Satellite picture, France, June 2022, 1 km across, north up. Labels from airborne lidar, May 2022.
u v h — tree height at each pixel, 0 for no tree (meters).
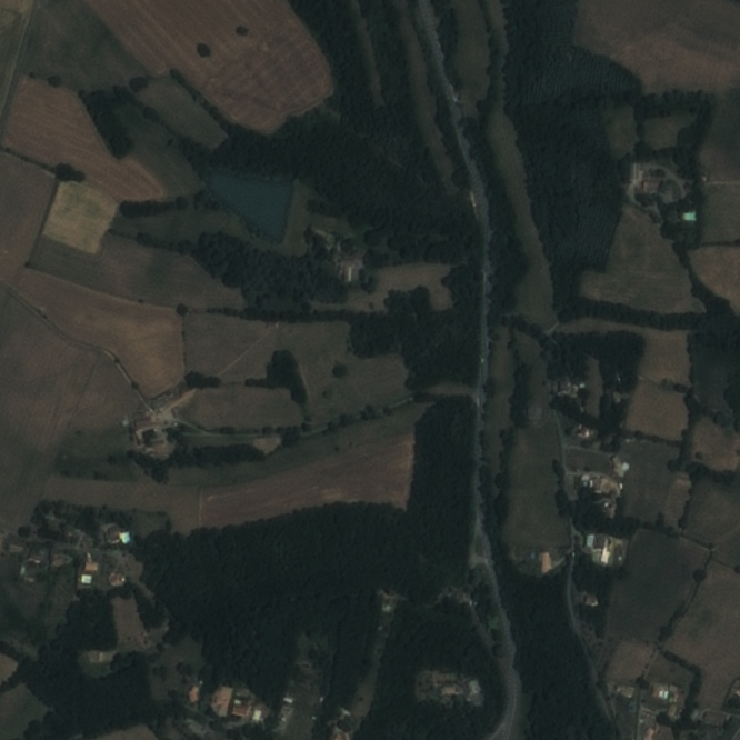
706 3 0
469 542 24
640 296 0
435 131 0
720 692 0
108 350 0
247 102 0
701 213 6
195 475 0
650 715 0
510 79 14
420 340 11
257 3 0
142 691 19
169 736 0
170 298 0
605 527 13
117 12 0
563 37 10
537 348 0
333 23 12
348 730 11
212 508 0
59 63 0
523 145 10
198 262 7
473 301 10
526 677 20
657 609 0
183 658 0
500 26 0
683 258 11
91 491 0
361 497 0
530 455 0
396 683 9
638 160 9
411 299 15
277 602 14
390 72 6
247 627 25
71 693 26
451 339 10
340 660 18
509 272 19
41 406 0
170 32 0
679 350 0
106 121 23
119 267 0
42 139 0
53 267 0
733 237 0
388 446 0
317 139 9
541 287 0
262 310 9
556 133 12
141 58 0
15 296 0
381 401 0
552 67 11
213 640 14
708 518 0
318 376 0
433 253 20
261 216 0
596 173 10
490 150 15
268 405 0
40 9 0
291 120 7
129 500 0
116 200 0
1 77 0
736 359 0
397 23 13
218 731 13
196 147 14
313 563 11
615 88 13
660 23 0
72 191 0
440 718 14
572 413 18
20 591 0
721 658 0
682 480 0
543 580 12
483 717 14
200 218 0
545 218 13
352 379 0
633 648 0
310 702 0
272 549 13
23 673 19
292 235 0
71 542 9
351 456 0
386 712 10
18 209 0
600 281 0
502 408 0
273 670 23
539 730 19
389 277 0
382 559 13
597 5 0
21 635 0
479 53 0
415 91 8
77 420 0
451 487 12
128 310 0
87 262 0
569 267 7
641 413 0
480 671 16
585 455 0
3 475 0
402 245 21
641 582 0
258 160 13
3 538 0
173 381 0
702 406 9
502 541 15
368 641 8
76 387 0
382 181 8
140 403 0
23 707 0
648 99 14
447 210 10
